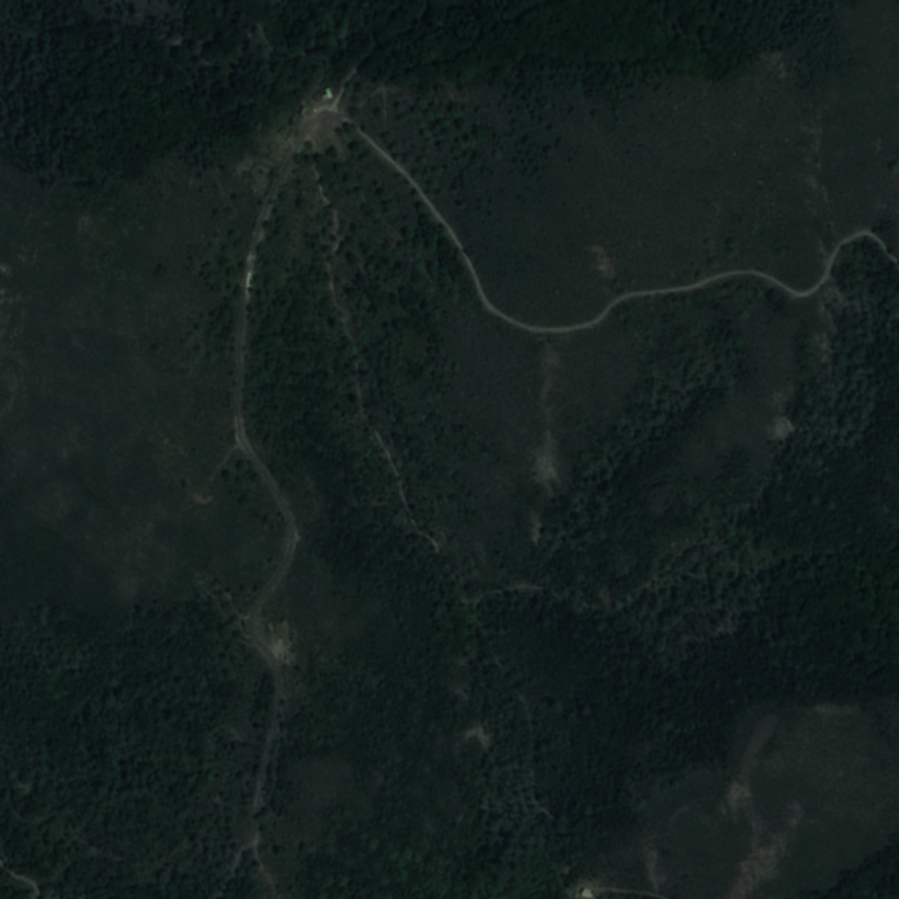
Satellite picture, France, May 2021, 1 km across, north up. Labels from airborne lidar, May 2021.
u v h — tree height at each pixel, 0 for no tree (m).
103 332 0
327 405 13
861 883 18
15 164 6
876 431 7
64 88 21
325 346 11
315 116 0
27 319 0
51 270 0
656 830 0
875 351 15
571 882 14
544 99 8
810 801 0
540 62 10
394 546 14
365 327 7
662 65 10
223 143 6
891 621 24
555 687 6
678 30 16
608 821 13
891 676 18
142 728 11
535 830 16
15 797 12
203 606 10
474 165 12
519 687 13
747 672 14
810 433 14
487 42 27
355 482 12
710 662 15
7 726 12
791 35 12
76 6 13
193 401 0
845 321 11
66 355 0
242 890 11
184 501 0
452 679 7
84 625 9
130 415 0
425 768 12
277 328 7
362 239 7
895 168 18
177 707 10
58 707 8
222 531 0
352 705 7
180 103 20
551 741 13
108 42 23
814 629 22
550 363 0
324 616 0
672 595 6
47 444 0
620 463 16
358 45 19
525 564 8
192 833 12
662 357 7
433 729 10
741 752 0
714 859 0
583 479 10
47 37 10
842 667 17
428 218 7
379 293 13
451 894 14
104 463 0
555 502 12
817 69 6
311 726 10
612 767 10
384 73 15
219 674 8
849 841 0
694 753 9
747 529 11
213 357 10
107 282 0
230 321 11
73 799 8
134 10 15
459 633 17
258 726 14
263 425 17
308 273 14
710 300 6
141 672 16
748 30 18
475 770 16
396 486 7
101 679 16
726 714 10
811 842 0
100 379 0
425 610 10
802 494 9
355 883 10
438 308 6
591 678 9
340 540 10
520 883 20
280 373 12
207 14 23
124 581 0
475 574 13
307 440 9
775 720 0
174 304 0
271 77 11
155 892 14
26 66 19
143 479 0
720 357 12
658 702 13
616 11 22
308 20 15
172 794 11
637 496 9
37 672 14
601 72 13
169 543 0
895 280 11
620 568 6
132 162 16
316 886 9
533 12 30
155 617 15
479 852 9
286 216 6
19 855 10
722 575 14
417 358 6
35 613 7
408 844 11
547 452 0
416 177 13
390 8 23
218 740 8
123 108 28
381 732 7
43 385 0
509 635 7
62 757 7
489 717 15
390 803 8
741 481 6
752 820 0
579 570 9
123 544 0
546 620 23
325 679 6
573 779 8
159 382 0
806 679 14
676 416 14
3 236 0
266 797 6
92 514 0
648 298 9
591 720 15
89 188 12
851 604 27
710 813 0
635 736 9
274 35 14
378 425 14
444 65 24
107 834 7
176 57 17
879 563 26
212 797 15
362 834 15
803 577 23
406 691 12
